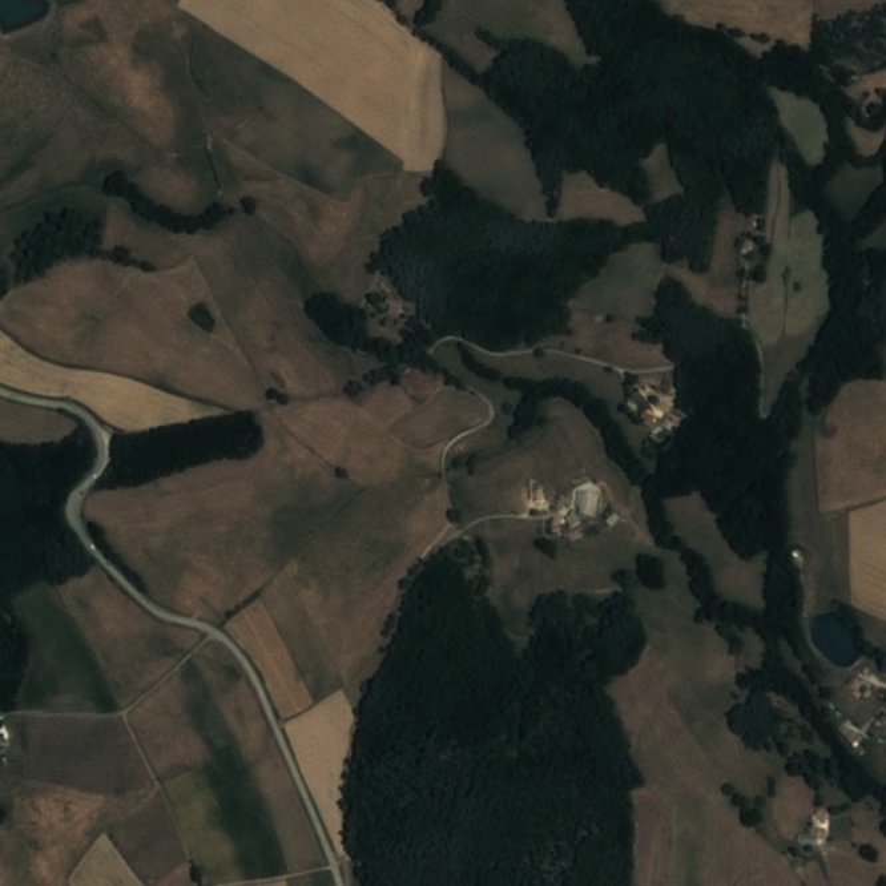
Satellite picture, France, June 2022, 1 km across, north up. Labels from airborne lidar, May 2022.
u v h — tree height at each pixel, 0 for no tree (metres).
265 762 0
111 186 19
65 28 0
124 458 18
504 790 22
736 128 14
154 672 0
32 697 0
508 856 24
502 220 11
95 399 0
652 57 14
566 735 23
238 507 0
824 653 0
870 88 0
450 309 12
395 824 15
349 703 0
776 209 0
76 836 0
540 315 17
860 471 0
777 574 25
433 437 0
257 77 0
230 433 14
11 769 0
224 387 0
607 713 20
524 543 0
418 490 0
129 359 0
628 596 17
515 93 15
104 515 0
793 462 16
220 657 0
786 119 0
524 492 0
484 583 9
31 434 0
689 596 0
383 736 17
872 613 0
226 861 0
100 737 0
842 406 0
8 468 10
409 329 6
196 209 0
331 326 20
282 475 0
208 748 0
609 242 17
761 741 18
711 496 17
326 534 0
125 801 0
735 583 0
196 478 0
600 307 0
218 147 0
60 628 0
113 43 0
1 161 0
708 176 15
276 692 0
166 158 0
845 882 0
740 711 15
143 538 0
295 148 0
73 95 0
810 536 0
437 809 18
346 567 0
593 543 0
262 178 0
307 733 0
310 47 0
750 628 17
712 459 22
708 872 0
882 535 0
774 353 0
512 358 0
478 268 13
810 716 17
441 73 0
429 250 13
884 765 0
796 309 0
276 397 14
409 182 0
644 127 21
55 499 11
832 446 0
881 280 17
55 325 0
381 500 0
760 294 0
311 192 0
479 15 0
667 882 0
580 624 11
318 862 0
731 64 21
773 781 7
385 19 0
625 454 23
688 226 16
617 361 0
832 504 0
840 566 0
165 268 0
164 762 0
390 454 0
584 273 16
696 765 0
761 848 0
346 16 0
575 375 0
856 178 0
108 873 0
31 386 0
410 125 0
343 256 0
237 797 0
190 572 0
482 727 12
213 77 0
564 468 0
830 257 16
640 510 0
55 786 0
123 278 0
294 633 0
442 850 17
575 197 0
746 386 13
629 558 0
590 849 19
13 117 0
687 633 0
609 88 18
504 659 12
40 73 0
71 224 18
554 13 0
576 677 21
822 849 0
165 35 0
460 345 13
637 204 11
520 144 0
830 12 0
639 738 0
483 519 0
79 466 9
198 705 0
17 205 0
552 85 18
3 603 8
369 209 0
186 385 0
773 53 12
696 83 13
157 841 0
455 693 10
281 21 0
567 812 23
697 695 0
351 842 19
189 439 13
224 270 0
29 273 15
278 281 0
